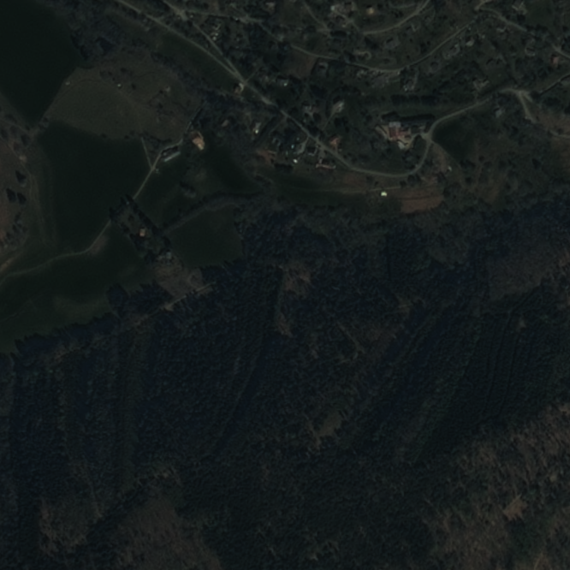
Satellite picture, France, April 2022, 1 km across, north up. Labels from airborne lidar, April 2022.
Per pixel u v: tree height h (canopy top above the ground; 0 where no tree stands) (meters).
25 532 20
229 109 26
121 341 26
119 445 17
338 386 24
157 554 27
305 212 23
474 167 20
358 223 28
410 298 10
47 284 0
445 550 29
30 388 33
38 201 0
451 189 8
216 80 0
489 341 17
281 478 23
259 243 31
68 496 16
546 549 22
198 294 0
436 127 0
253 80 0
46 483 28
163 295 12
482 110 0
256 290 27
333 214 19
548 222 29
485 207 22
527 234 28
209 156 0
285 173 11
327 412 11
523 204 22
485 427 9
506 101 23
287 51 24
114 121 0
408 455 15
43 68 0
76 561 12
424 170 10
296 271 0
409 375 10
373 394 29
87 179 0
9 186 0
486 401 17
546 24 0
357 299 32
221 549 36
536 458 27
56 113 0
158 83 0
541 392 12
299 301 28
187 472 25
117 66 0
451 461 20
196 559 25
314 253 32
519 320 16
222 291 6
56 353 26
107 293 0
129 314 31
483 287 27
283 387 34
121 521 14
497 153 0
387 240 10
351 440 14
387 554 33
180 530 25
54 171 0
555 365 17
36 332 0
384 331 7
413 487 20
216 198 16
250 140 20
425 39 0
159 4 22
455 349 25
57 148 0
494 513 25
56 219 0
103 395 26
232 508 23
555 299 13
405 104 21
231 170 0
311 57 0
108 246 0
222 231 0
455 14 0
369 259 34
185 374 36
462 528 26
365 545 21
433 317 13
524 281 32
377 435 21
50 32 0
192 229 0
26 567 13
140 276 0
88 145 0
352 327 39
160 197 0
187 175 6
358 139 20
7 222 0
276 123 10
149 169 0
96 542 13
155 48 0
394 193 0
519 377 16
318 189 0
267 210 18
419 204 0
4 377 34
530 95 0
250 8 10
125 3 0
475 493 31
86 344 22
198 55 0
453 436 17
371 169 0
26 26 0
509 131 21
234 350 36
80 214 0
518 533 21
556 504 21
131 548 19
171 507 14
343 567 19
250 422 23
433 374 33
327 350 31
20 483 16
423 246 29
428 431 19
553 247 34
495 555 25
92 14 21
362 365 7
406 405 27
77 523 13
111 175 0
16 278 0
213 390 31
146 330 11
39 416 34
